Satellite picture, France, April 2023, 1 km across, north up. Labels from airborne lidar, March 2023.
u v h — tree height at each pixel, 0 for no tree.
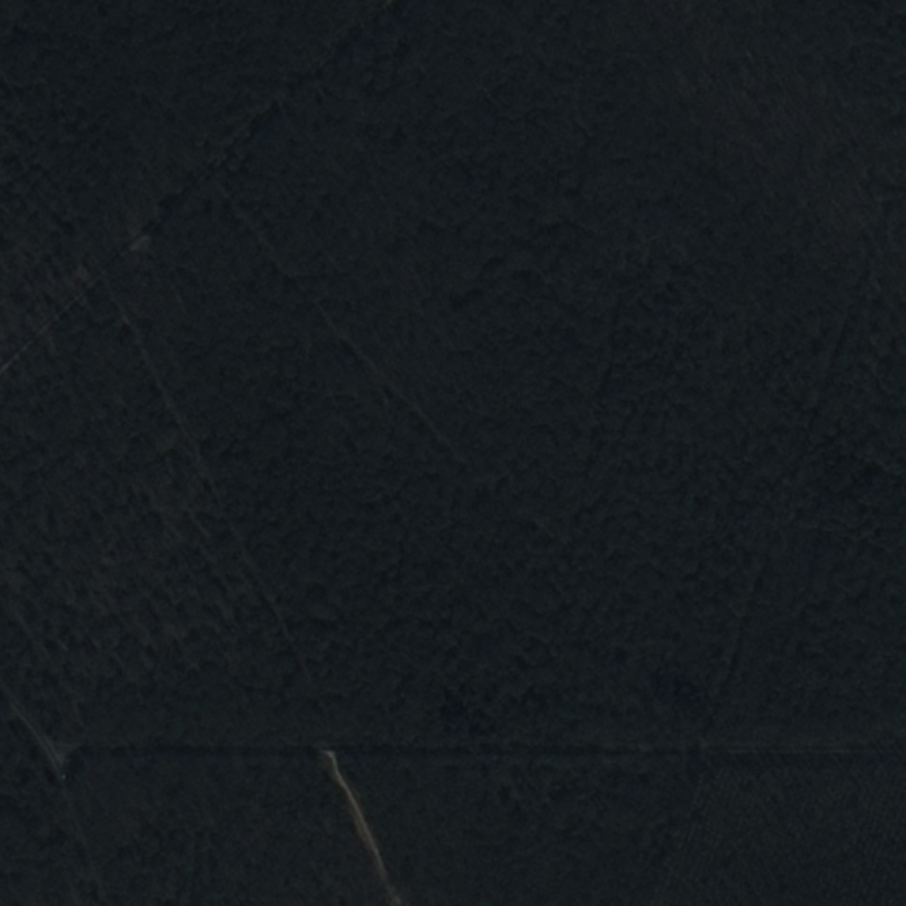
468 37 25
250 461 26
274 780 19
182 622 27
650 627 24
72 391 15
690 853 35
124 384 25
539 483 19
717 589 18
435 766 23
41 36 19
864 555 28
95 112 19
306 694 26
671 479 27
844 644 24
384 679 22
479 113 25
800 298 26
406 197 28
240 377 23
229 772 23
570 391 19
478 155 22
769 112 25
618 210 27
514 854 21
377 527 26
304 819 21
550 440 25
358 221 28
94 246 26
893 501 27
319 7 25
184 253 23
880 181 27
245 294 21
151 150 30
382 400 28
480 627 23
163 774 28
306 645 21
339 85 21
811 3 27
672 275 19
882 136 25
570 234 28
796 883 39
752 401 24
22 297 27
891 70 26
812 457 31
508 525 23
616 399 25
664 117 19
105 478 28
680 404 27
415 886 29
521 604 23
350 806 16
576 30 25
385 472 23
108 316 17
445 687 23
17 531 26
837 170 23
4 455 20
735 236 26
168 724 26
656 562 18
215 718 21
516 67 19
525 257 26
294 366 26
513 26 22
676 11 28
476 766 19
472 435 19
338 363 29
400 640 16
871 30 22
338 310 26
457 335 28
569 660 20
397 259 29
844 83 29
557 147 20
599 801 30
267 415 14
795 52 29
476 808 22
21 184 24
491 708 18
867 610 24
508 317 24
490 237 24
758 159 26
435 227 24
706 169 18
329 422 24
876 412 28
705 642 27
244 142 15
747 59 23
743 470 16
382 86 18
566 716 23
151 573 27
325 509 21
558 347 24
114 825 25
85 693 19
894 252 27
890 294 23
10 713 24
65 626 11
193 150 29
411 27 22
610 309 10
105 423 24
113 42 22
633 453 20
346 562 27
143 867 19
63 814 25
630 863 24
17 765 28
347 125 27
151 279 18
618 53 25
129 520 30
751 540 25
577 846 21
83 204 28
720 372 25
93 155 22
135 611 25
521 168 23
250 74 16
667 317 19
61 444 26
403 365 25
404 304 24
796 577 20
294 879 17
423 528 24
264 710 26
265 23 27
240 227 30
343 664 25
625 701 22
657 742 16
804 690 24
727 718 16
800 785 36
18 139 20
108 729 26
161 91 19
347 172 27
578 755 24
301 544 26
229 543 29
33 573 11
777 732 14
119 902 19
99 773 23
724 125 26
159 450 29
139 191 29
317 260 26
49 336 24
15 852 23
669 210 22
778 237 25
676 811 21
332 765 0
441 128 23
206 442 7
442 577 26
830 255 25
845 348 23
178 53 24
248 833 26
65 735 26
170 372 28
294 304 25
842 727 25
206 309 29
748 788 33
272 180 24
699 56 26
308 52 21
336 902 29
